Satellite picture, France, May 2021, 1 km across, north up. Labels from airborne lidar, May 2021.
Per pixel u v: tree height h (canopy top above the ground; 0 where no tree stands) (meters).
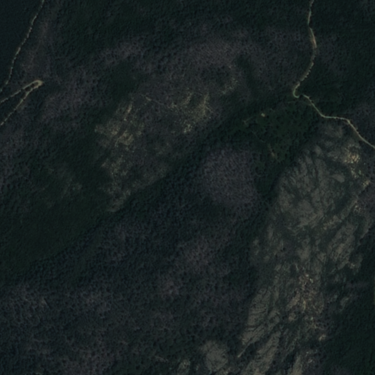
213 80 19
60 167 7
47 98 13
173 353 21
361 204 20
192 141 9
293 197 0
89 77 11
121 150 8
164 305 22
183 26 21
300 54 11
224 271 22
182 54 19
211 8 18
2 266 22
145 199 21
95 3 9
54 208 14
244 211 18
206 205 12
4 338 24
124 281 19
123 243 18
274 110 12
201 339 13
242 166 19
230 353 10
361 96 17
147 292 23
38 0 15
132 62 7
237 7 13
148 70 21
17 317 11
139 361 32
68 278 25
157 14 18
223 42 20
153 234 18
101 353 27
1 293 18
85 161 10
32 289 21
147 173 9
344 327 14
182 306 23
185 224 6
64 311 23
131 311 28
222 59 21
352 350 13
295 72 9
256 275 12
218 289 24
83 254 24
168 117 7
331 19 11
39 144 17
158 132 7
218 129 14
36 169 18
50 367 26
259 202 18
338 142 8
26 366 22
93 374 18
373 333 15
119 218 19
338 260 7
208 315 22
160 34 22
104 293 17
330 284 6
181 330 29
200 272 14
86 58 19
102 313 9
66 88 20
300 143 9
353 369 12
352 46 13
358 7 7
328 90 15
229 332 12
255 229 21
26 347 21
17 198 27
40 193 9
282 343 19
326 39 14
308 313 9
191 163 24
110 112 7
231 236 24
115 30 8
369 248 12
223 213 10
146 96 7
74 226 10
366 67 11
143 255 22
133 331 26
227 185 16
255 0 16
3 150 15
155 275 20
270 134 11
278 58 14
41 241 15
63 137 18
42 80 10
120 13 13
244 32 18
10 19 15
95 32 11
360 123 15
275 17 16
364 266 15
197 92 9
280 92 9
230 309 16
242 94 11
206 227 14
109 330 21
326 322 22
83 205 9
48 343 14
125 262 19
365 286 6
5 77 17
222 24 12
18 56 13
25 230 17
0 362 24
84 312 19
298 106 8
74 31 13
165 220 12
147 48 21
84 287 11
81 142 10
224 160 19
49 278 16
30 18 16
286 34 17
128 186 7
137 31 11
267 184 17
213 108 7
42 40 10
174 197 17
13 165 16
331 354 10
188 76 12
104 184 9
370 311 13
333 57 8
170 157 14
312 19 12
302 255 0
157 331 25
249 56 10
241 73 15
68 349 25
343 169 6
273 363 7
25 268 13
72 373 23
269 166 18
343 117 6
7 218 10
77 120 25
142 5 8
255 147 14
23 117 12
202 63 23
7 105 15
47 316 25
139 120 7
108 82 9
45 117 12
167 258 10
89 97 7
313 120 11
